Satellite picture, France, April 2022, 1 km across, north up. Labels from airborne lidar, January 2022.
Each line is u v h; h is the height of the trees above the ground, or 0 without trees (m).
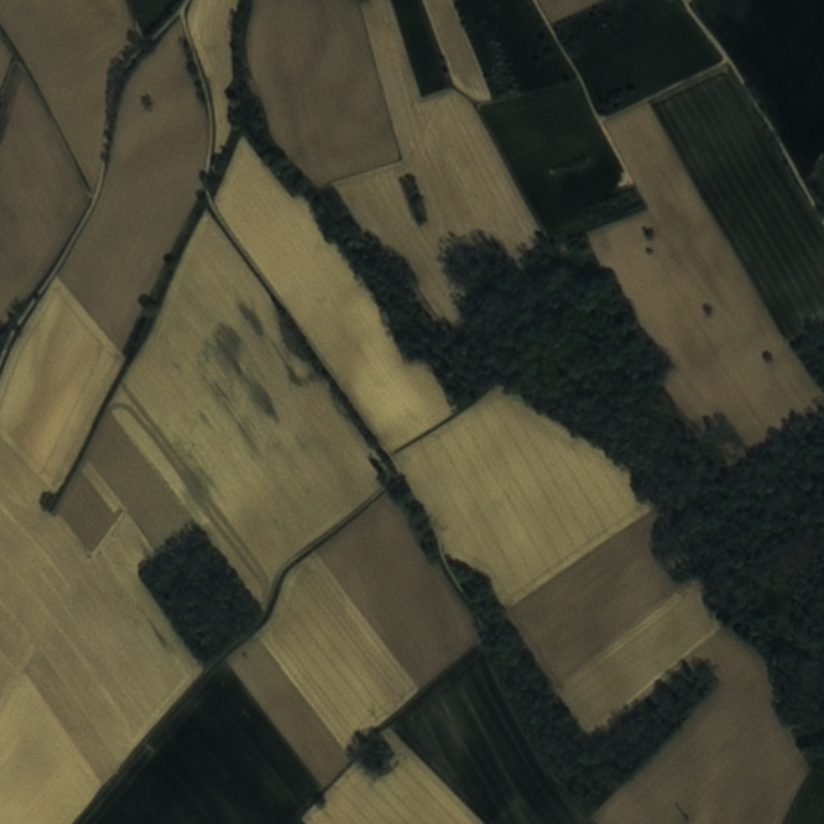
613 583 0
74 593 0
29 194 0
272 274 0
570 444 0
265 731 0
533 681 20
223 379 0
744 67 0
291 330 12
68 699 0
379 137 0
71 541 0
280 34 0
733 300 0
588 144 0
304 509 0
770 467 25
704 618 0
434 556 20
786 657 30
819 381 14
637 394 31
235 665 0
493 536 0
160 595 15
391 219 0
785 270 0
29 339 0
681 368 0
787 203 0
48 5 0
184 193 0
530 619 0
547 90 0
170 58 0
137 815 0
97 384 0
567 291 27
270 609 0
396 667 0
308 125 0
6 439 0
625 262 0
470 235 0
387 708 0
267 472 0
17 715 0
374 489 0
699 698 26
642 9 7
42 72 0
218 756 0
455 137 0
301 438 0
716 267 0
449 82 0
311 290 0
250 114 16
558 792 0
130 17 0
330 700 0
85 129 0
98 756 0
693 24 0
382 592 0
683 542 26
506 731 0
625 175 0
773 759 0
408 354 17
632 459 23
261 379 0
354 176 0
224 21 0
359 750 18
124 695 0
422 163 0
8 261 0
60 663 0
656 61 0
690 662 0
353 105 0
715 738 0
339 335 0
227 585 21
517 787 0
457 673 0
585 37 0
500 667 20
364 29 0
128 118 0
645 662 0
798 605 8
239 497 0
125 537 0
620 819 0
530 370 31
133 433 0
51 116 0
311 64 0
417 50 0
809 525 23
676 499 30
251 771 0
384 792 0
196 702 0
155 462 0
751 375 0
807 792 0
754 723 0
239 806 0
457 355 18
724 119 0
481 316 30
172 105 0
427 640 0
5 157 0
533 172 0
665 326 0
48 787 0
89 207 0
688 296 0
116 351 0
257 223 0
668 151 0
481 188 0
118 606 0
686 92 0
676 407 22
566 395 19
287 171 19
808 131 0
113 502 0
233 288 0
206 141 0
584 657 0
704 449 16
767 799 0
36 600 0
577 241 7
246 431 0
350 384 0
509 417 0
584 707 0
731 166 0
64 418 0
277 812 0
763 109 12
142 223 0
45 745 0
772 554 19
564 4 0
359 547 0
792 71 0
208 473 0
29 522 0
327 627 0
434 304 0
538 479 0
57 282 0
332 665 0
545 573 0
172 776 0
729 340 0
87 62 0
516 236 0
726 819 0
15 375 0
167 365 0
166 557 13
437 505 0
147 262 0
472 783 0
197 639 21
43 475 0
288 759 0
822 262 0
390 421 0
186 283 0
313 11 0
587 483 0
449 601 0
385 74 0
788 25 0
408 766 0
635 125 0
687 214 0
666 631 0
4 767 0
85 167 0
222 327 0
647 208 0
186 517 0
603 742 21
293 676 0
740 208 0
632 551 0
